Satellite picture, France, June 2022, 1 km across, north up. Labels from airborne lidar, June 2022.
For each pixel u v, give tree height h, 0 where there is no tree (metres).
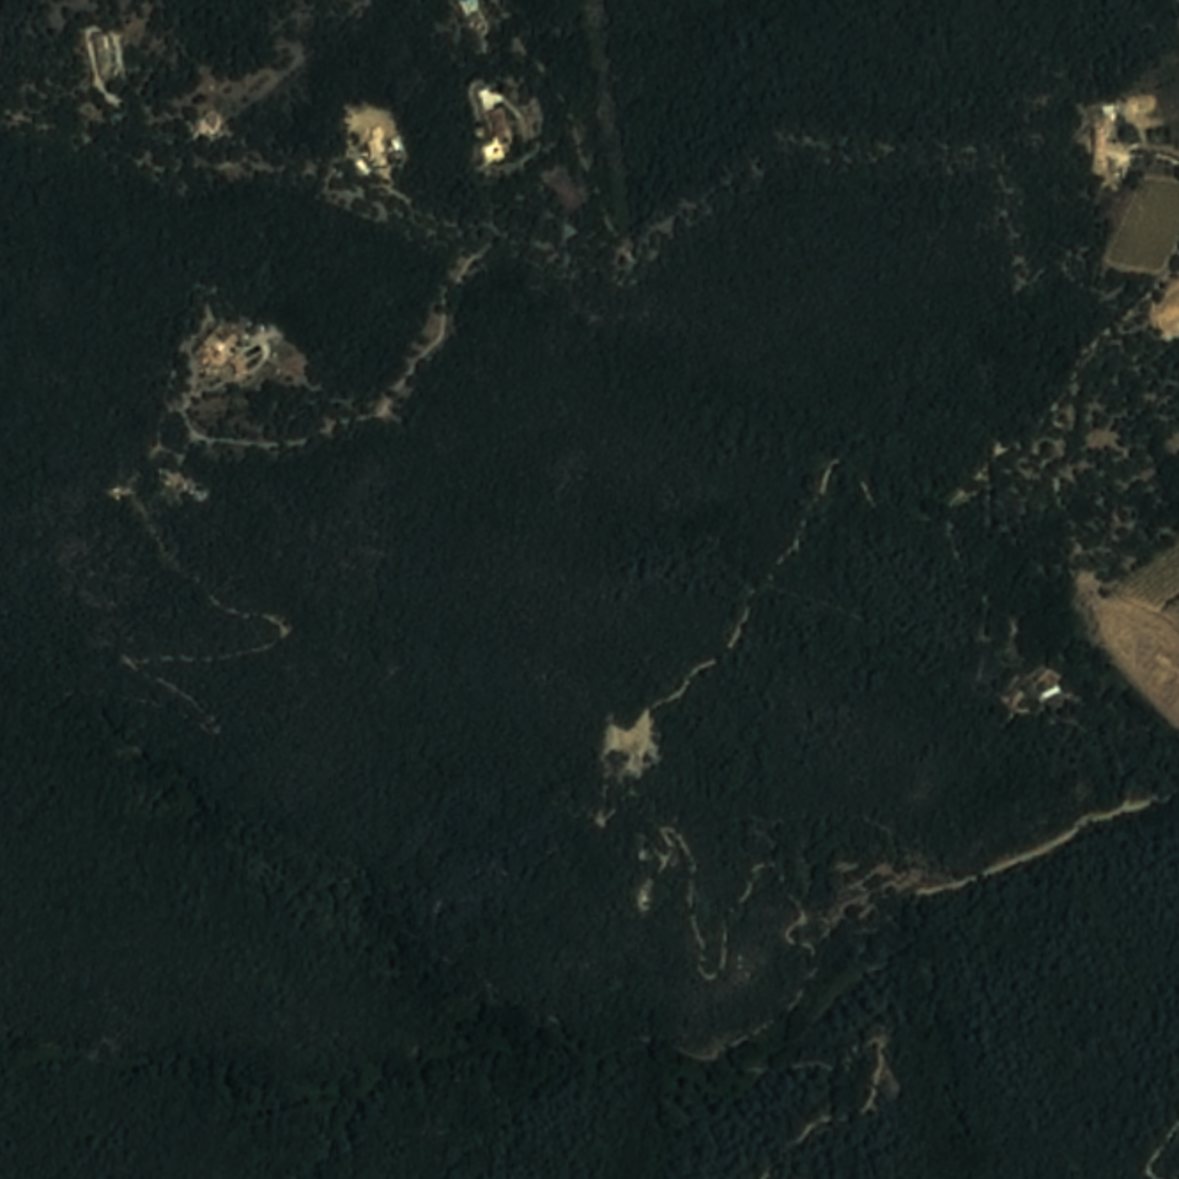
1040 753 11
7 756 13
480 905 7
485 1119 15
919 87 10
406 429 6
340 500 6
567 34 6
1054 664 12
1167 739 7
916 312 7
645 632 6
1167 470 17
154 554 9
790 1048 9
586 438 6
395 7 9
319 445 14
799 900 7
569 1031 12
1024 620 10
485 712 11
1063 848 8
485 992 8
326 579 8
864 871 8
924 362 10
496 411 8
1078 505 11
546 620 7
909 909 15
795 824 8
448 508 7
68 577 6
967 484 14
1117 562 14
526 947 7
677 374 8
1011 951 10
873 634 13
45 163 7
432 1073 23
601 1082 9
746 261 11
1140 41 17
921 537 12
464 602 7
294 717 8
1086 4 9
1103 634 0
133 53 10
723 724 6
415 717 9
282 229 11
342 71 8
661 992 8
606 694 7
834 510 9
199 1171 8
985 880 12
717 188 8
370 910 17
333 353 9
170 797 17
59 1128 13
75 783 12
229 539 8
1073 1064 12
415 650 10
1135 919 8
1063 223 7
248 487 8
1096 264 12
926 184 10
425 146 6
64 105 10
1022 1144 9
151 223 10
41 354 5
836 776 8
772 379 8
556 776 10
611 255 9
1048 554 16
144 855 11
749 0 10
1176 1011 12
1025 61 8
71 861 8
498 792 9
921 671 15
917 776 8
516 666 6
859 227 7
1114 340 9
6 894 7
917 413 9
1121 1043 11
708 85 10
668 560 20
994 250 8
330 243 8
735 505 9
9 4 15
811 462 11
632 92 12
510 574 8
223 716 8
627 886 8
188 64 9
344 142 8
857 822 8
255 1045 7
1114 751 15
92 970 9
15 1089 11
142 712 11
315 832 14
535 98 8
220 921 8
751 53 8
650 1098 9
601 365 8
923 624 17
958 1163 17
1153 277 11
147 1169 13
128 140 12
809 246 9
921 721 8
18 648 5
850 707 8
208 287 8
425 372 12
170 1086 15
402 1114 11
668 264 7
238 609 7
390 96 12
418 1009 8
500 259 9
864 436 12
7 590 7
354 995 8
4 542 10
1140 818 9
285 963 6
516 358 7
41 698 6
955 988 7
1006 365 13
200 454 11
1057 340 13
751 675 9
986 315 9
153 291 9
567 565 8
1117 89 12
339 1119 16
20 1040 10
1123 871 11
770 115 9
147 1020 10
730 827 8
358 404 8
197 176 9
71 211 9
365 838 10
